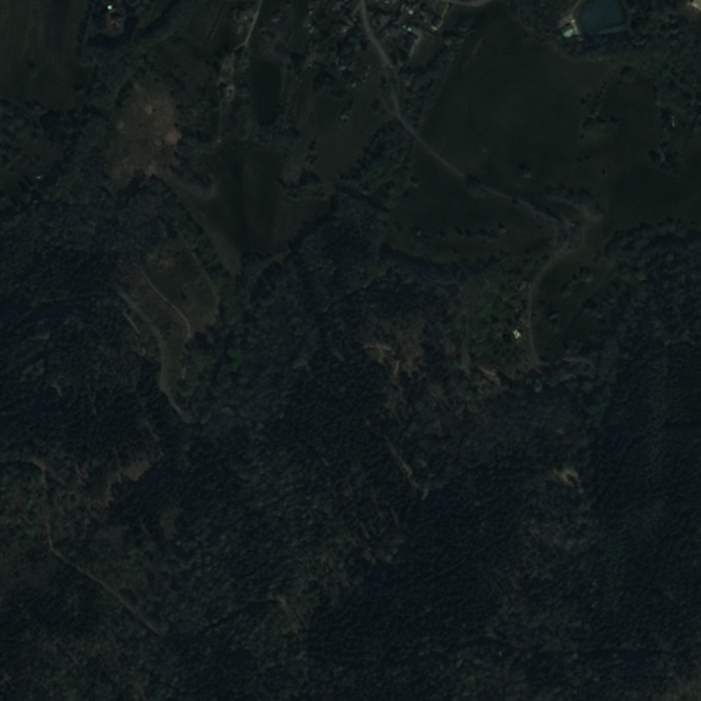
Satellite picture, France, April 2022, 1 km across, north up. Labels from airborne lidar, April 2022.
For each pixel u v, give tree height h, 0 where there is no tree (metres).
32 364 24
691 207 0
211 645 29
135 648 27
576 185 0
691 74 22
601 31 0
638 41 12
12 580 15
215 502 27
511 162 0
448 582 28
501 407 34
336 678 35
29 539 13
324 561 24
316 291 25
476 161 0
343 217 23
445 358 30
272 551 22
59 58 0
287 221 0
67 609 15
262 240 0
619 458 32
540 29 21
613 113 0
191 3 16
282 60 18
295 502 25
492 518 25
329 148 0
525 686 31
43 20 0
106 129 6
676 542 24
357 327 22
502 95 0
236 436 28
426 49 0
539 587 31
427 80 18
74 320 26
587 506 16
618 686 31
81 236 29
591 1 0
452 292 26
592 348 13
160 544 30
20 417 22
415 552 32
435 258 0
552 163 0
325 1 0
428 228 0
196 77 0
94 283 27
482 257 0
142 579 11
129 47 20
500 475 30
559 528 21
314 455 26
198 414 24
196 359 27
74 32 0
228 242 0
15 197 0
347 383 24
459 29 10
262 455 30
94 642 21
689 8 0
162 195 15
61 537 23
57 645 15
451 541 25
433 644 29
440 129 0
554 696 31
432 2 0
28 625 17
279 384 34
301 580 18
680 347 9
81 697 22
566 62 0
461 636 19
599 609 24
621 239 20
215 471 39
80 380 23
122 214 23
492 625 26
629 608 27
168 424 28
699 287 28
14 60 0
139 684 24
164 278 0
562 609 31
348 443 30
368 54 0
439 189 0
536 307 0
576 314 0
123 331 19
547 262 11
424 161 0
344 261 24
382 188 0
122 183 0
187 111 17
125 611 12
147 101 0
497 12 0
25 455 24
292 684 24
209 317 0
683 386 10
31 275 21
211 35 0
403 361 25
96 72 9
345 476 31
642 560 24
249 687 12
